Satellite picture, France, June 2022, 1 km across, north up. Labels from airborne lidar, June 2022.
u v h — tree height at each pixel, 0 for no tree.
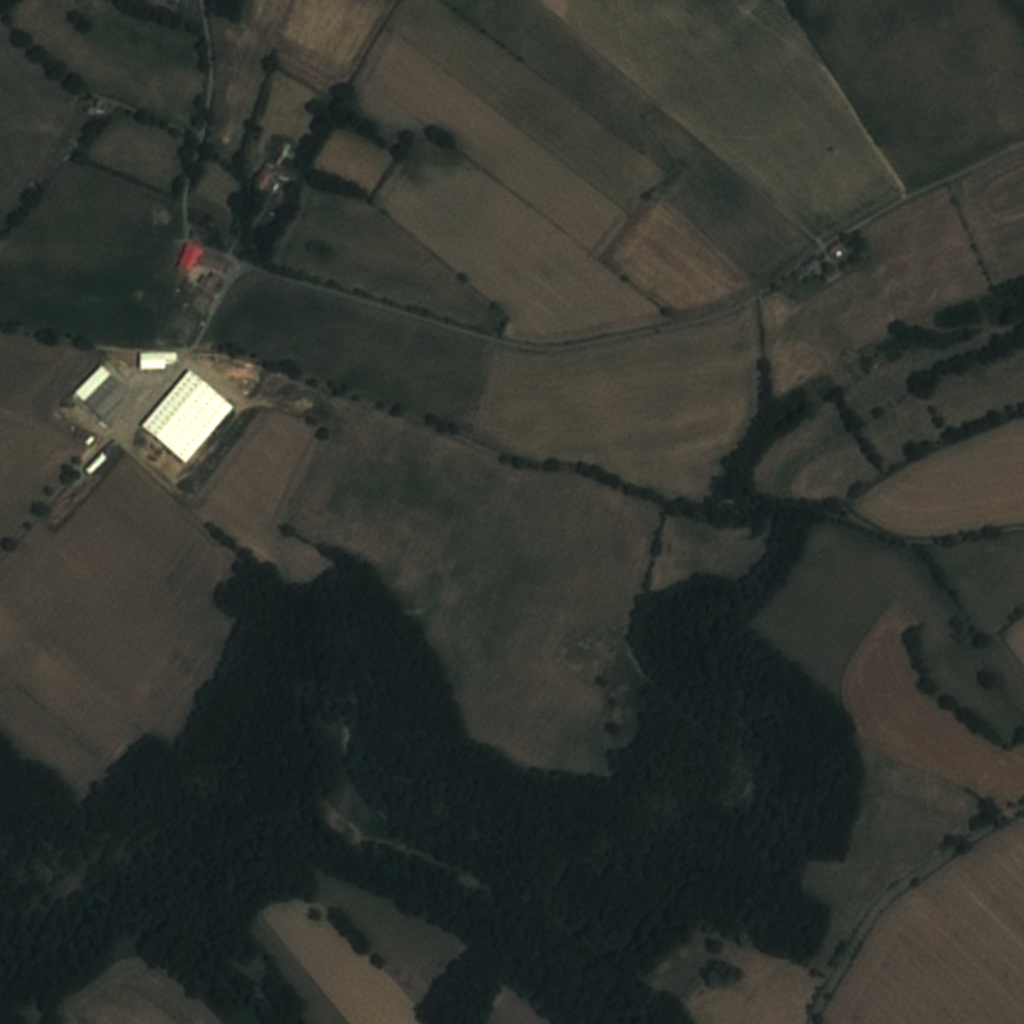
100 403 0
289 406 0
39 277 0
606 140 0
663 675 17
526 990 15
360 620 14
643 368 0
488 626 0
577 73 0
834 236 0
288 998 12
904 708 0
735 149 0
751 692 17
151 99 0
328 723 13
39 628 0
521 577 0
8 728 0
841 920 0
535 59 0
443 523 0
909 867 0
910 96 0
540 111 0
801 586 0
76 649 0
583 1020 14
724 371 0
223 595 11
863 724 0
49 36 0
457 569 0
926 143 0
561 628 0
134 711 0
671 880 23
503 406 0
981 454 0
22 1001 20
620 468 0
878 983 0
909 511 0
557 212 0
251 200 10
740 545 0
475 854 14
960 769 0
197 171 17
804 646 0
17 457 0
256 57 0
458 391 0
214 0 15
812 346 0
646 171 0
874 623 0
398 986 0
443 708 14
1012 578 0
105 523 0
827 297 0
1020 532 0
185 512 0
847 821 10
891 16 0
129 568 0
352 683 15
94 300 0
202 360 0
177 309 0
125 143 0
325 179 20
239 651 15
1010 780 0
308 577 0
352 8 0
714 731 14
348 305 0
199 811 12
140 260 0
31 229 0
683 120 0
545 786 18
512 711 0
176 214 0
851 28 0
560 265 0
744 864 20
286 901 10
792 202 0
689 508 15
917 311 0
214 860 22
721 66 0
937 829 0
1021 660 0
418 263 0
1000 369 0
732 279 0
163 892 16
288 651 20
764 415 11
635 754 18
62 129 0
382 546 0
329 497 0
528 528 0
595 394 0
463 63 0
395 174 0
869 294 0
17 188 0
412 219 0
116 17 0
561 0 0
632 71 0
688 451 0
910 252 0
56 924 18
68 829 14
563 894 12
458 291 0
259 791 22
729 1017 0
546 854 17
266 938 0
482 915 25
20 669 0
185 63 0
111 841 8
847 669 0
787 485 0
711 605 19
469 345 0
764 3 0
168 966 13
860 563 0
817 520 9
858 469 0
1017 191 0
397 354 0
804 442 0
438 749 14
